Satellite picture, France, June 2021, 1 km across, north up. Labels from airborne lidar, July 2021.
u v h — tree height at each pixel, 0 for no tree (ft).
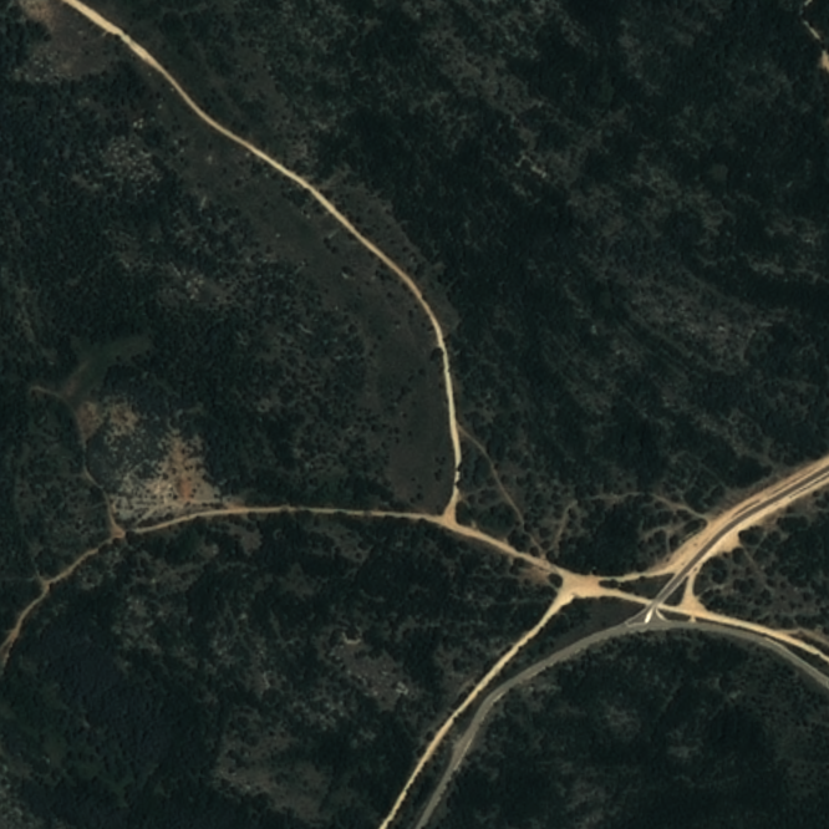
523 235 23
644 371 28
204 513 0
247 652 22
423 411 0
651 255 19
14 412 29
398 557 25
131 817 48
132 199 32
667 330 21
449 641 31
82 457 21
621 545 27
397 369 0
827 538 24
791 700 28
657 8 22
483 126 18
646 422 20
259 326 31
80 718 27
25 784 29
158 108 0
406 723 25
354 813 28
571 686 27
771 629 0
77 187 34
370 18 17
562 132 22
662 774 29
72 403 0
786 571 22
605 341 18
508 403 22
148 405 30
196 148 0
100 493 26
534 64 18
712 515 0
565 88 24
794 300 21
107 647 31
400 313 0
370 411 21
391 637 21
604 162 25
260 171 26
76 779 20
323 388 18
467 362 28
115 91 30
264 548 36
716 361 24
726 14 31
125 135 18
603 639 0
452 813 22
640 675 17
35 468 25
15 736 34
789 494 0
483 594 20
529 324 27
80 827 27
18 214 35
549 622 21
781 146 18
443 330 0
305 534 28
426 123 19
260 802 28
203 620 25
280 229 0
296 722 20
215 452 29
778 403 21
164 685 27
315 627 19
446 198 29
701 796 26
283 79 24
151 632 21
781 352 36
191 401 25
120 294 23
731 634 0
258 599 26
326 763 25
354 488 23
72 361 23
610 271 23
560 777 19
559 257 26
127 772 35
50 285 22
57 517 22
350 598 28
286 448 29
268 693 24
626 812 20
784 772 21
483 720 0
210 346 39
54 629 43
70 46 0
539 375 30
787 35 37
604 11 41
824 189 35
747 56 20
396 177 19
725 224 23
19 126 34
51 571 24
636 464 31
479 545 0
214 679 23
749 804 27
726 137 19
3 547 29
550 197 23
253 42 21
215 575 24
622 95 28
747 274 22
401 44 27
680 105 20
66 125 32
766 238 20
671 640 22
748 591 21
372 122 36
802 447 27
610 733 29
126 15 0
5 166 34
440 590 23
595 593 0
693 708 18
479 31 19
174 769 36
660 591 0
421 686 18
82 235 28
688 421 20
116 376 27
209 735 20
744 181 23
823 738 19
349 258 0
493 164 26
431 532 30
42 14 0
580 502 25
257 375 20
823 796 27
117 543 32
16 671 20
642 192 26
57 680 35
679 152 26
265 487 25
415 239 28
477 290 24
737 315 23
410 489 0
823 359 18
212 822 47
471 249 23
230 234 23
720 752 21
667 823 26
